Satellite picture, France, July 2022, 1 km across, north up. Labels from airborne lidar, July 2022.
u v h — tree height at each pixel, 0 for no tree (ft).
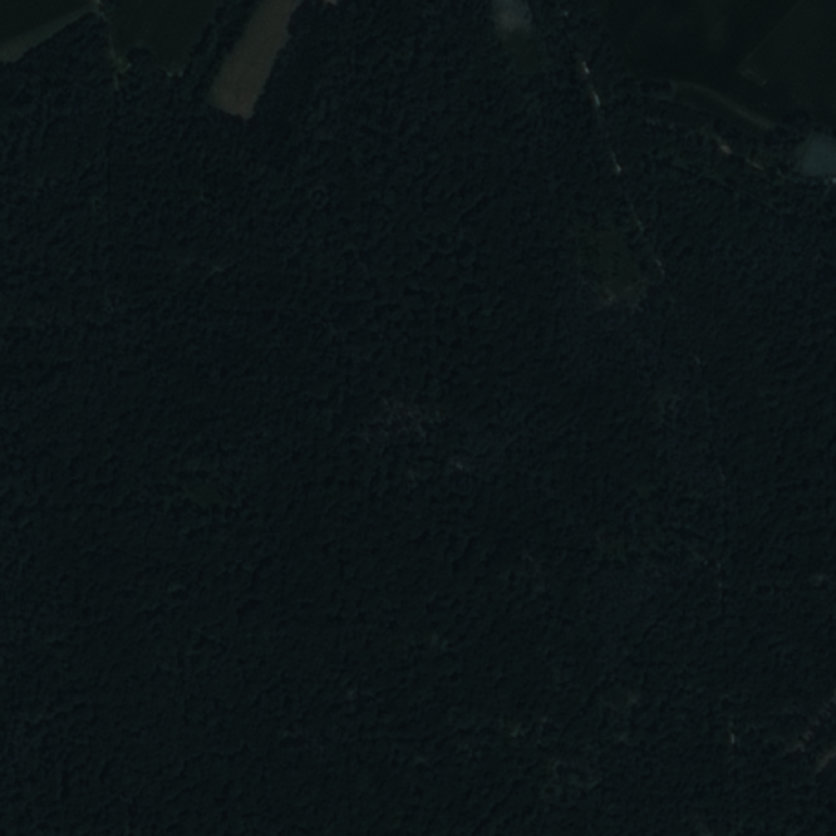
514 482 66
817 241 89
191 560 72
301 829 83
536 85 64
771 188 32
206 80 38
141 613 78
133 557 69
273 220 59
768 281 95
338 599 82
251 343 61
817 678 65
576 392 55
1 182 55
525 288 70
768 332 73
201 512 80
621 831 71
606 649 73
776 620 79
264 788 84
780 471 58
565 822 74
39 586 60
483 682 61
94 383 85
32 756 89
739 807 79
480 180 61
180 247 87
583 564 57
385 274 79
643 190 40
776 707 63
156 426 60
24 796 81
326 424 86
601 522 76
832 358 66
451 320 92
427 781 81
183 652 61
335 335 65
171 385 82
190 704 77
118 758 68
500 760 59
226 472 91
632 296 0
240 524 65
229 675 71
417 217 90
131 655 75
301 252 85
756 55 0
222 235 85
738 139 79
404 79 54
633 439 64
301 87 67
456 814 50
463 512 77
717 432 61
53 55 56
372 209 80
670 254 68
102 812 75
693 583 70
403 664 69
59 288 84
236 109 0
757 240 70
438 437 79
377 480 87
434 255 94
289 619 74
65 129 81
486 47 58
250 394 87
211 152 79
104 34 71
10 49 0
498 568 85
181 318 57
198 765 78
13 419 71
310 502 77
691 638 75
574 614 73
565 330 56
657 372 81
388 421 52
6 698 67
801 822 73
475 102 58
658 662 67
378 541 75
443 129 68
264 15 0
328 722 80
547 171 75
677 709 74
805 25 0
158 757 70
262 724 85
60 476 87
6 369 68
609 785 59
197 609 88
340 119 69
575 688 71
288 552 81
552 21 70
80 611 87
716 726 64
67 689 86
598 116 69
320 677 72
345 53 46
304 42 61
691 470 80
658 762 67
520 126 28
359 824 70
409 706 56
